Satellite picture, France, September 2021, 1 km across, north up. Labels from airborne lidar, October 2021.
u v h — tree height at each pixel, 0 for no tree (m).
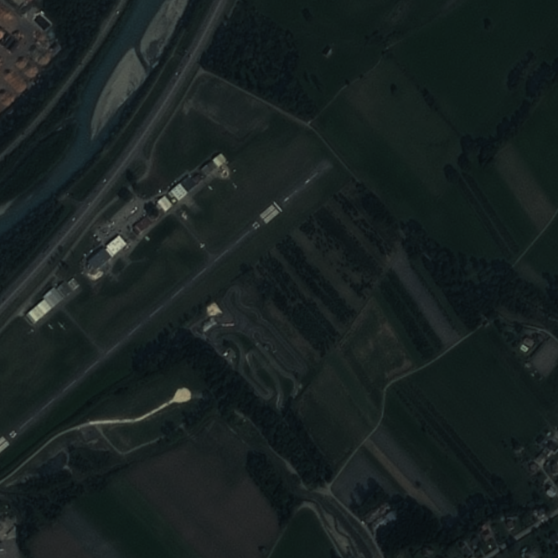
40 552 0
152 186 0
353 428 0
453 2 0
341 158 0
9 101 0
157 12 0
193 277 0
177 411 0
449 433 0
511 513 12
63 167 0
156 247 0
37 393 0
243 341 0
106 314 0
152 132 0
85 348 0
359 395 0
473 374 0
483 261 0
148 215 8
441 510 0
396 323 0
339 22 0
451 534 33
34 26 0
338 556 0
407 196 0
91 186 0
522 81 13
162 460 0
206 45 0
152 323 0
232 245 0
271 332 0
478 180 0
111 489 0
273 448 27
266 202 0
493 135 0
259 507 0
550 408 0
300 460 24
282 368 0
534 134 0
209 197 0
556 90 0
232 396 29
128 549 0
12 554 0
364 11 0
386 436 0
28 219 7
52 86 20
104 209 0
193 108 0
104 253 0
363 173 0
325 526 0
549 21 0
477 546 11
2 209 0
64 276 0
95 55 7
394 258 0
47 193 0
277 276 8
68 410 0
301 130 0
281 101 27
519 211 0
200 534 0
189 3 7
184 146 0
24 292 0
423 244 27
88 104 0
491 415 0
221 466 0
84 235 0
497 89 0
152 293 0
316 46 0
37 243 8
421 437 0
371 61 0
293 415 15
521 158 0
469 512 16
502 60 0
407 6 0
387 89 0
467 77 0
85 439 0
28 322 0
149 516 0
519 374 0
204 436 0
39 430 0
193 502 0
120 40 0
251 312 0
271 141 0
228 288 0
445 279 25
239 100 0
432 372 0
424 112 0
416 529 25
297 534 0
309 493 0
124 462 0
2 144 20
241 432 0
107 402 0
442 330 0
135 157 0
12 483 0
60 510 12
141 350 0
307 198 0
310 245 0
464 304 19
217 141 0
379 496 25
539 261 0
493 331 0
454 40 0
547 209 0
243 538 0
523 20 0
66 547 0
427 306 0
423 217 0
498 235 0
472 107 0
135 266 0
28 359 0
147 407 0
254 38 12
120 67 0
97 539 0
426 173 0
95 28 17
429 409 0
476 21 0
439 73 0
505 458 0
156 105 0
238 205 0
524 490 0
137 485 0
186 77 0
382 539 20
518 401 0
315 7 0
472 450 0
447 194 0
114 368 0
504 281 30
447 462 0
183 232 0
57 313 0
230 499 0
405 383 0
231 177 0
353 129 0
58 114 6
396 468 0
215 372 28
